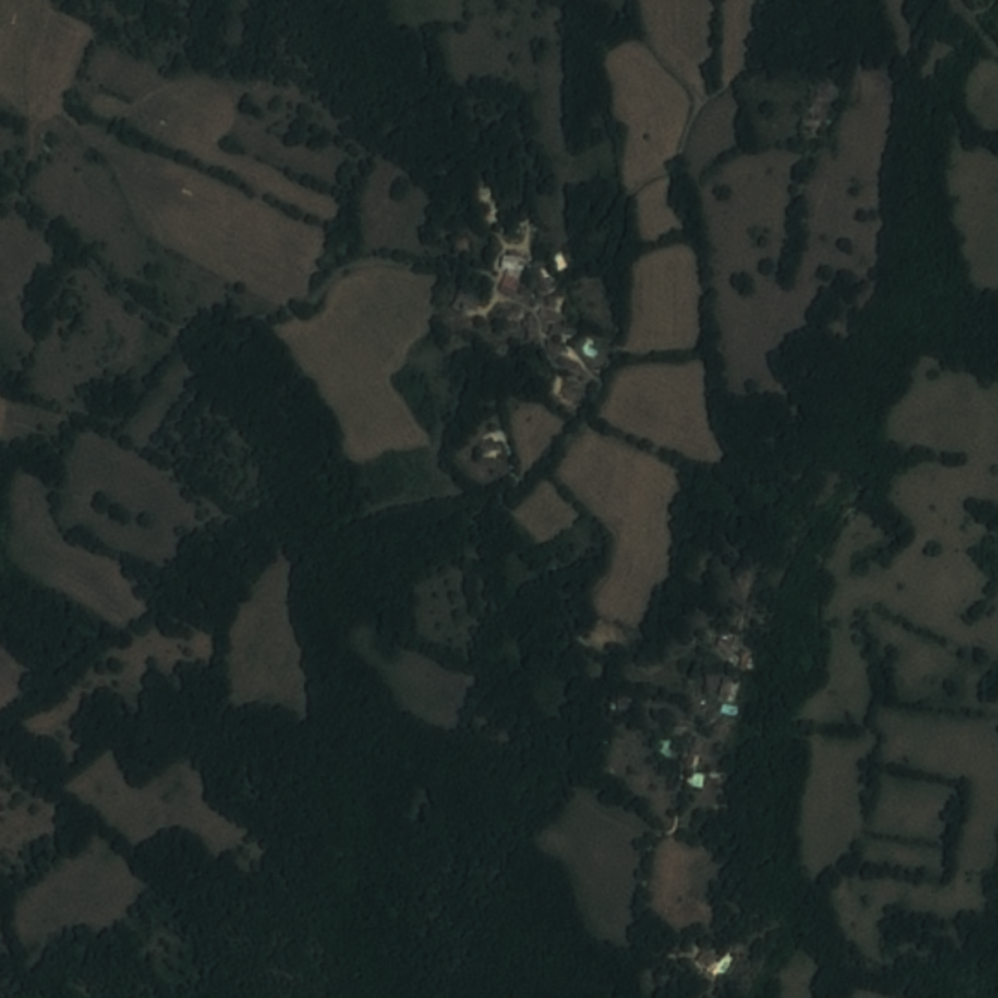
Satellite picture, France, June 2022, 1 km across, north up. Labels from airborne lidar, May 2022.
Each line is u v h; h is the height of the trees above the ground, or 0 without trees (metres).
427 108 16
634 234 13
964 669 0
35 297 13
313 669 14
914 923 19
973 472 0
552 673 14
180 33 7
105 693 14
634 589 0
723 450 9
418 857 14
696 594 14
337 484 7
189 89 0
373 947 11
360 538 13
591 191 15
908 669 0
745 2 0
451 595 12
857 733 10
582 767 19
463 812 16
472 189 14
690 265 0
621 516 0
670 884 0
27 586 13
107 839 13
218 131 0
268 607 0
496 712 10
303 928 12
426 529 10
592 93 18
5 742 15
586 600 10
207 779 15
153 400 0
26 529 0
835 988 22
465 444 12
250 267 0
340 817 14
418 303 0
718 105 0
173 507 0
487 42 0
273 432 15
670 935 15
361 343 0
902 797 0
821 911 21
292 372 9
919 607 0
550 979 14
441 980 11
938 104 20
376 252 9
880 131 0
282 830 16
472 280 9
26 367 8
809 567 16
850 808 0
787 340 10
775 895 13
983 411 0
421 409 6
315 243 0
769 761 17
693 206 14
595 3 15
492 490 11
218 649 12
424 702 0
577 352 0
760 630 11
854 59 12
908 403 0
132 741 16
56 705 8
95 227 0
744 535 16
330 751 16
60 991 14
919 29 8
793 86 0
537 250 12
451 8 0
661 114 0
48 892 0
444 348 6
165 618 15
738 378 0
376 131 14
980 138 19
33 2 0
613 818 0
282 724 18
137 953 15
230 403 13
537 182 6
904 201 15
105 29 8
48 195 0
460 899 13
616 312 12
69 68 0
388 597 18
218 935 16
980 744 0
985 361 21
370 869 16
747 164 0
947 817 19
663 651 13
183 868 12
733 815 10
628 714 12
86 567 0
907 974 7
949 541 0
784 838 22
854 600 0
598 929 0
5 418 0
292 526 14
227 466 7
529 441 0
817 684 19
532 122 12
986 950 18
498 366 14
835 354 12
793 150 11
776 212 0
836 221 0
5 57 0
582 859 0
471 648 9
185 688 11
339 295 0
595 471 0
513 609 15
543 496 0
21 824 0
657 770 6
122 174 0
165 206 0
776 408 19
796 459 15
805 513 10
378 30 16
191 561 11
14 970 14
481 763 11
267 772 16
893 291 14
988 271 0
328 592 11
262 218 0
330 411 10
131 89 0
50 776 15
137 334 0
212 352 17
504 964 13
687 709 11
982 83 0
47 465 12
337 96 14
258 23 9
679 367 0
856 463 13
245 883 14
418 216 0
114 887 0
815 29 14
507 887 11
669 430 0
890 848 0
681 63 0
